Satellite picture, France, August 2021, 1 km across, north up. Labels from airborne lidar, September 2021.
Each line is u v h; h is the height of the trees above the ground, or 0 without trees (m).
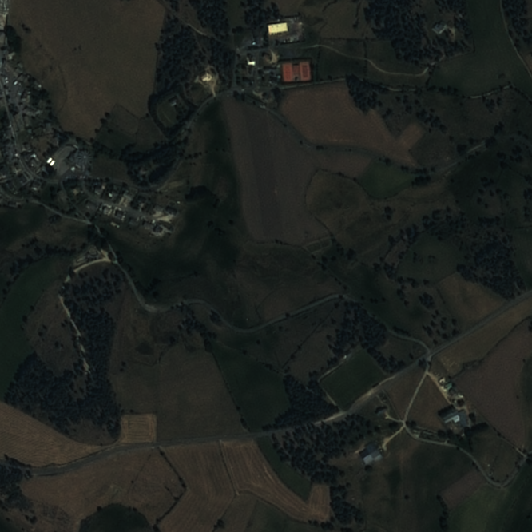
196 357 0
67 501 0
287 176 0
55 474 0
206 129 0
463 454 0
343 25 0
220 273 0
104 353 14
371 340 16
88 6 0
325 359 0
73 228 0
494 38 0
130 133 0
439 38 0
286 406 0
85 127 0
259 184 0
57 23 0
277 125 0
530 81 0
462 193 0
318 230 0
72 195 10
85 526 0
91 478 0
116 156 10
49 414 9
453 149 0
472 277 14
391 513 0
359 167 0
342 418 0
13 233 0
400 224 0
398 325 0
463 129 0
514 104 0
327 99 0
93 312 12
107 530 0
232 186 0
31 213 0
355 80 16
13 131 0
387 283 0
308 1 0
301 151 0
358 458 0
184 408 0
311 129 0
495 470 0
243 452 0
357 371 0
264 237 0
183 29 10
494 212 0
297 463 11
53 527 0
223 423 0
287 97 0
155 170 0
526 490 0
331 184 0
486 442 0
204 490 0
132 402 0
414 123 0
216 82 0
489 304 0
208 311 0
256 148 0
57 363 0
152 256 0
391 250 0
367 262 0
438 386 0
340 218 0
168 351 0
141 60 0
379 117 0
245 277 0
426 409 0
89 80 0
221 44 8
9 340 0
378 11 20
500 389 0
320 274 0
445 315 0
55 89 0
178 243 0
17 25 0
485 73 0
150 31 0
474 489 0
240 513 0
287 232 0
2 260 0
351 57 0
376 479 0
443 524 12
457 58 0
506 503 0
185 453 0
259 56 0
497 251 14
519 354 0
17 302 0
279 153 0
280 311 0
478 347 0
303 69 0
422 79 0
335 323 10
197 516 0
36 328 0
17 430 0
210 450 0
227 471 0
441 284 0
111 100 0
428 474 0
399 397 0
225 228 0
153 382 0
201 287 0
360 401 0
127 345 0
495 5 0
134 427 0
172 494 0
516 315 0
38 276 0
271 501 0
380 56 0
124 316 0
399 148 0
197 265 0
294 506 0
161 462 0
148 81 0
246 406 0
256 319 0
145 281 0
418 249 0
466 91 0
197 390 0
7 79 0
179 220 0
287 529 0
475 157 7
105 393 16
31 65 0
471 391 0
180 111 7
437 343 9
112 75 0
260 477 0
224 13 13
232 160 0
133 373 0
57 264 0
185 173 0
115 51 0
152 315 0
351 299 0
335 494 11
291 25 0
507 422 0
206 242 0
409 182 0
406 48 12
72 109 0
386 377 0
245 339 0
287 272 0
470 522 0
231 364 0
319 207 0
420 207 0
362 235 0
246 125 0
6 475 18
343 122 0
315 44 0
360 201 0
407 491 0
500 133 17
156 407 0
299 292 0
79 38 0
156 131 0
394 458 0
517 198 0
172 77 16
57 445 0
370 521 0
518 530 0
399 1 13
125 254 0
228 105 0
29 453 0
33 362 17
